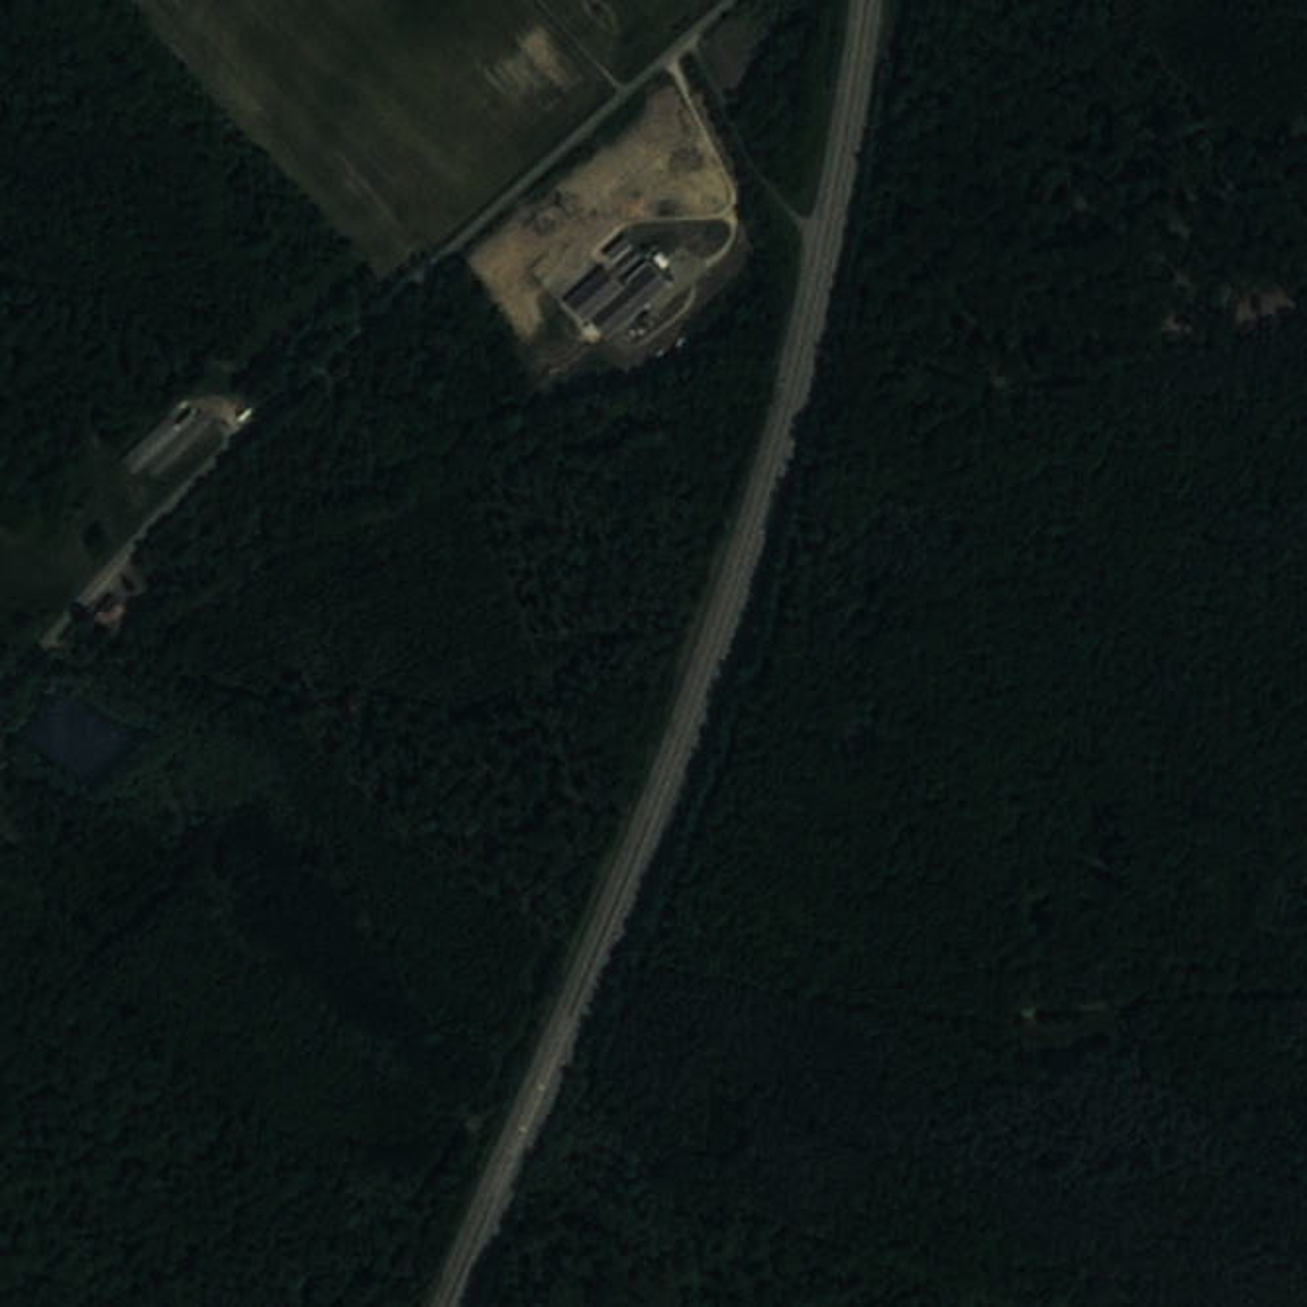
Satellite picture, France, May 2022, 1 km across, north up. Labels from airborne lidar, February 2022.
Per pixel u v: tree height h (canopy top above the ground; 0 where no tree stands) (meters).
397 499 26
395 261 0
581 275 0
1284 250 32
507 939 19
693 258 0
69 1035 25
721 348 19
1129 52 25
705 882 22
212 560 16
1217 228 33
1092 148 29
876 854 26
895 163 27
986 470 23
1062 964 23
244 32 0
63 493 19
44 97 14
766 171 14
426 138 0
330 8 0
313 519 23
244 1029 18
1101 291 29
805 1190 25
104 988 17
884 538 23
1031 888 27
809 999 15
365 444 17
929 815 25
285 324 0
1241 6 9
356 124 0
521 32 0
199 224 23
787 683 23
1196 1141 32
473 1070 17
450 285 23
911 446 26
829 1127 21
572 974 0
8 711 17
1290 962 23
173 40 0
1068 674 26
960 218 27
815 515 25
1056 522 24
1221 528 22
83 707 0
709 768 17
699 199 0
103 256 18
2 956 24
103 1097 28
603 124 0
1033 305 34
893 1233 21
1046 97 30
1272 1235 22
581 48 0
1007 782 26
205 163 20
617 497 29
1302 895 19
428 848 25
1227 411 21
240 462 20
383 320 21
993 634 27
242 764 25
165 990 20
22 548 0
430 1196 24
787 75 24
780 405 0
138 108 23
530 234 11
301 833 19
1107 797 22
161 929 17
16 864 17
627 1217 28
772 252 15
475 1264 0
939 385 31
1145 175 32
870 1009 19
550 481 30
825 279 0
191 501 7
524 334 0
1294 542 24
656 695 18
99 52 20
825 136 0
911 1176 21
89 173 20
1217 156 30
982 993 27
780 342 16
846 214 0
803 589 16
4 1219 25
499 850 28
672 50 0
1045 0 26
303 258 20
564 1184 20
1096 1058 21
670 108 15
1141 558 22
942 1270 22
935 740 27
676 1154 19
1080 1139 30
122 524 0
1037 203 30
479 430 28
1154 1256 23
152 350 26
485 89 0
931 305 30
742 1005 21
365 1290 26
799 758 27
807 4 12
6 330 29
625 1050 21
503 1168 0
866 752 27
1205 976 27
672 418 27
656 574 27
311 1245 27
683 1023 20
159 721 25
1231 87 9
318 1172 27
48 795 20
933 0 25
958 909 26
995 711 25
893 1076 21
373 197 0
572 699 24
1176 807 25
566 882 27
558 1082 0
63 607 0
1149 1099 30
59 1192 13
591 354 0
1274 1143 23
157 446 0
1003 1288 19
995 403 30
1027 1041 0
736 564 0
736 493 15
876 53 0
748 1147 22
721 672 0
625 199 0
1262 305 0
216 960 21
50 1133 30
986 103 29
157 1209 30
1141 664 23
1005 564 26
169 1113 28
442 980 19
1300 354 19
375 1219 27
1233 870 23
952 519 12
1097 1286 24
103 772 0
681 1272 29
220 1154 26
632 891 0
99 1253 29
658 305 0
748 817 25
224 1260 28
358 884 20
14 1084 25
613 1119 23
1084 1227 27
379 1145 13
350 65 0
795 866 26
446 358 25
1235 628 22
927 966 25
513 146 0
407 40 0
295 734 22
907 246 30
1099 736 27
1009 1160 31
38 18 24
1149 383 18
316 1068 20
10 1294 27
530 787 30
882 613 23
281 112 0
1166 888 26
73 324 27
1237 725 19
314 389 18
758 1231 27
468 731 29
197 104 16
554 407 13
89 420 18
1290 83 7
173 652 20
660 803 0
